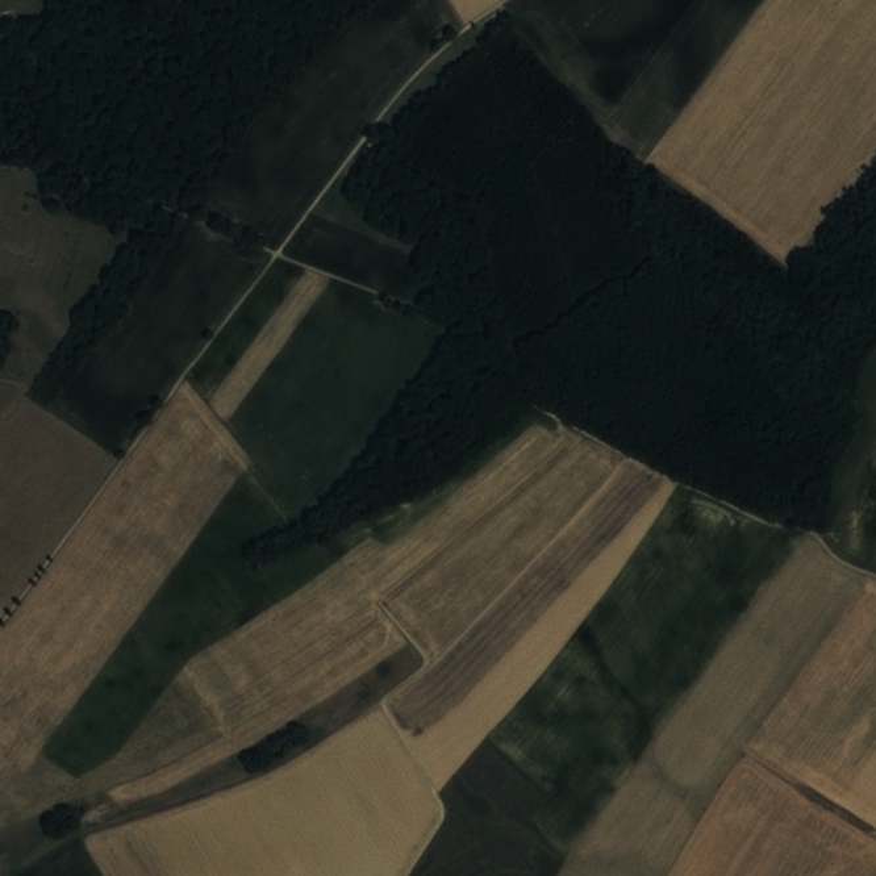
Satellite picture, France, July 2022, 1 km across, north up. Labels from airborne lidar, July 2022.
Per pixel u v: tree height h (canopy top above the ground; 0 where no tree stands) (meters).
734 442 26
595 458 0
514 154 10
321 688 0
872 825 0
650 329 17
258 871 0
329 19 16
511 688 0
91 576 0
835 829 0
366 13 13
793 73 0
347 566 0
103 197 29
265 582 0
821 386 18
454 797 0
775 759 0
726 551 0
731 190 0
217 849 0
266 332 0
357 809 0
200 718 0
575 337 20
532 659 0
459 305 25
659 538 0
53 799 0
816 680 0
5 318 17
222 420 0
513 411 23
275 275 0
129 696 0
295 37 25
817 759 0
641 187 23
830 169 0
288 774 0
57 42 29
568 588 0
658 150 0
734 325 21
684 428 19
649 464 13
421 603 0
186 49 25
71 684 0
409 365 0
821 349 27
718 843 0
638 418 19
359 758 0
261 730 0
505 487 0
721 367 25
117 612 0
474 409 25
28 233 0
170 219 21
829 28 0
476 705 0
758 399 24
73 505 0
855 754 0
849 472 0
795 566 0
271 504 0
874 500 0
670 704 0
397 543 0
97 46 27
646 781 0
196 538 0
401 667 0
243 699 0
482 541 0
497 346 23
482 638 0
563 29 0
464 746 0
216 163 10
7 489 0
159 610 0
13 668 0
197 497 0
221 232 17
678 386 17
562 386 19
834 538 0
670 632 0
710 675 0
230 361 0
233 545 0
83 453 0
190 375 0
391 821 0
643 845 0
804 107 0
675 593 0
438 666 0
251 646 0
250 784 0
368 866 0
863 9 0
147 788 0
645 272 19
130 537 0
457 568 0
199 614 0
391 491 27
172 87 29
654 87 0
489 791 0
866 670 0
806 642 0
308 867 0
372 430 0
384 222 23
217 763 0
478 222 28
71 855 0
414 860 0
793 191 0
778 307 24
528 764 0
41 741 0
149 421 14
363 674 0
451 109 7
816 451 18
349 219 0
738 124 0
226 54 25
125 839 0
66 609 0
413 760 0
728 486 15
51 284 0
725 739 0
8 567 0
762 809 0
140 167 29
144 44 29
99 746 0
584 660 0
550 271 6
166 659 0
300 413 0
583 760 0
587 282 6
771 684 0
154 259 21
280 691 0
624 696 0
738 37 0
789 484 18
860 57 0
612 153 11
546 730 0
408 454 22
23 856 0
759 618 0
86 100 28
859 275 23
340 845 0
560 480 0
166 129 24
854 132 0
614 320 18
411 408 17
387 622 0
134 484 0
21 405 0
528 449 0
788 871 0
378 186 22
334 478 0
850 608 0
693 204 12
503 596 0
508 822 0
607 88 0
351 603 0
